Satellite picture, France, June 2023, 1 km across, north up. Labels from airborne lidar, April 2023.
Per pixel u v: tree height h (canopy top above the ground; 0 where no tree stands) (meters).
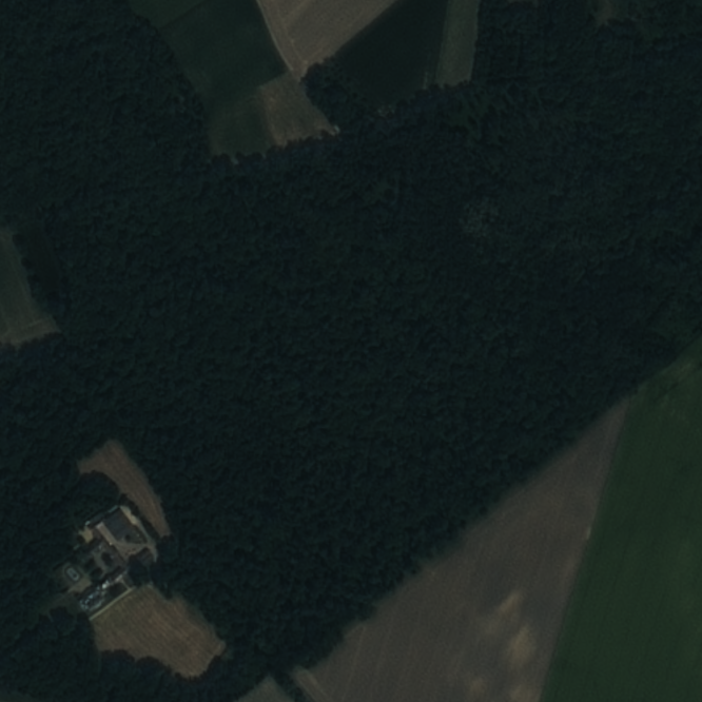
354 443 29
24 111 27
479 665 0
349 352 28
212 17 0
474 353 33
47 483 22
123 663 29
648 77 24
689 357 0
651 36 0
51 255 0
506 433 33
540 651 0
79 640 24
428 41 0
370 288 30
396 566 24
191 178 29
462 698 0
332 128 0
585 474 0
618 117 26
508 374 30
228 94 0
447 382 29
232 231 28
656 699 0
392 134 23
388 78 0
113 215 28
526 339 31
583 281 38
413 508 29
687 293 6
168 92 10
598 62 19
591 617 0
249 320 27
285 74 0
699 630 0
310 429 27
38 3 20
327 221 29
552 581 0
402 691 0
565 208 29
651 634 0
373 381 26
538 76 16
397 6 0
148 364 30
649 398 0
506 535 0
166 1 0
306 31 0
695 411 0
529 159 27
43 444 29
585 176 32
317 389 24
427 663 0
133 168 26
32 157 29
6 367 23
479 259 22
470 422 34
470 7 0
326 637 29
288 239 28
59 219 31
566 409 30
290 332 26
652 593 0
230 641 15
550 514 0
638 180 28
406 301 29
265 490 30
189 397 25
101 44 24
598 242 28
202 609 22
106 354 30
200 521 24
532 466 26
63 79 31
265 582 28
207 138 11
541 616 0
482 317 27
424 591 0
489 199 29
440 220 23
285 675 21
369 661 0
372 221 26
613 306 40
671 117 27
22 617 29
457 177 13
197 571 23
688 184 35
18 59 26
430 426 27
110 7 22
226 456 21
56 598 0
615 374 33
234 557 25
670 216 29
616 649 0
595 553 0
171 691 22
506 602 0
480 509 22
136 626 0
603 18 0
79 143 25
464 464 26
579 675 0
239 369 33
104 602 0
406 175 16
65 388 32
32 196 29
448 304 26
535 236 28
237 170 7
